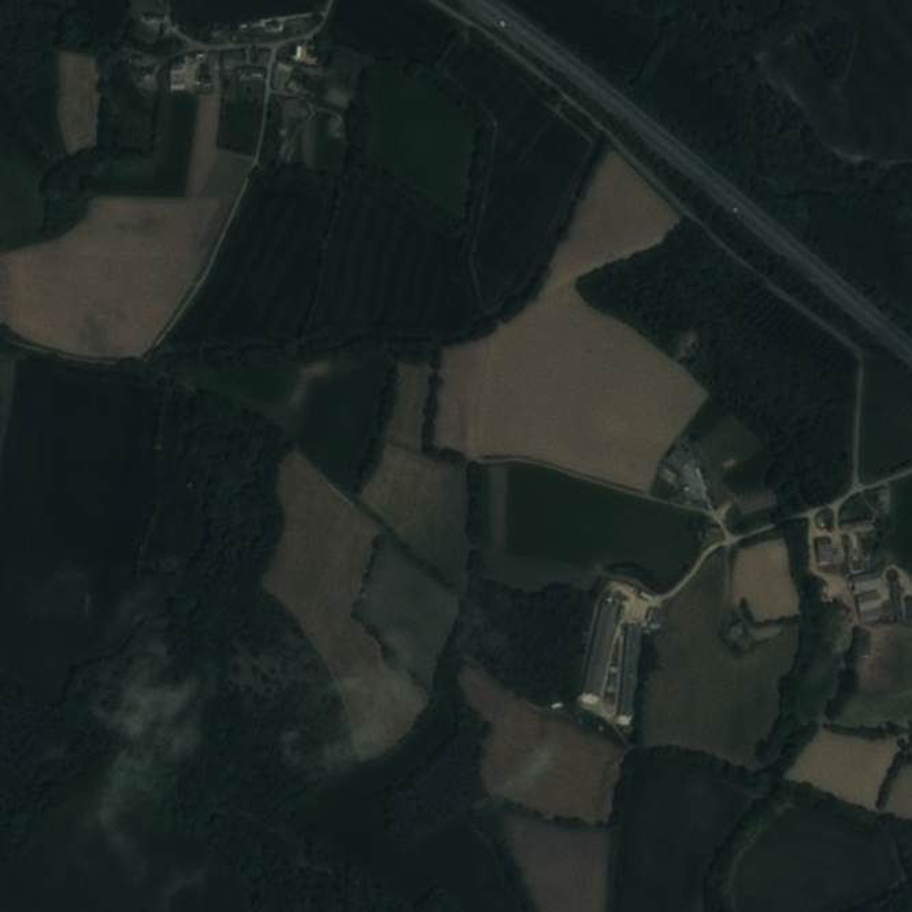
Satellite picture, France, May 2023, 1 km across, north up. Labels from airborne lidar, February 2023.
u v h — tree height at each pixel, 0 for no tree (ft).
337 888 47
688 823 0
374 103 0
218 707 55
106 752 53
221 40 0
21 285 0
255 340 0
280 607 39
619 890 0
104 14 35
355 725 0
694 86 0
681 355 76
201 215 0
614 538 0
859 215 0
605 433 0
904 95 0
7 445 0
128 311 0
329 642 0
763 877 0
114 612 0
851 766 0
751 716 0
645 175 0
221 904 0
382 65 41
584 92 23
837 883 0
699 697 0
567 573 0
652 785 0
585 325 0
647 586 20
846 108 0
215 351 32
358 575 0
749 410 40
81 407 0
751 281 59
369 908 23
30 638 0
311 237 0
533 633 48
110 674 22
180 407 0
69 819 0
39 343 0
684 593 0
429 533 0
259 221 0
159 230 0
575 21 0
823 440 54
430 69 38
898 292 0
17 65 22
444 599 0
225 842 52
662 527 0
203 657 62
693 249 26
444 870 0
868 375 0
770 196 43
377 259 0
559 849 0
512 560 0
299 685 29
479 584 37
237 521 21
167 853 0
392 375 35
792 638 0
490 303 0
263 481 58
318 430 0
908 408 0
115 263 0
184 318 0
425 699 0
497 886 0
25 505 0
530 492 0
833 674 0
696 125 0
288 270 0
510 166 0
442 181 0
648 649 39
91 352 0
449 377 0
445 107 0
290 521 0
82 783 50
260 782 45
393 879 0
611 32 0
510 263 0
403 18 0
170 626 45
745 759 0
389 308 0
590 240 0
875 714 0
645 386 0
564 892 0
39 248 0
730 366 28
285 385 0
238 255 0
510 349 0
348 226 0
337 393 0
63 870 0
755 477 0
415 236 0
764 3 0
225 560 51
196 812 55
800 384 28
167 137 0
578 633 58
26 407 0
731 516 0
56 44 47
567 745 0
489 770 0
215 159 0
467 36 0
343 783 0
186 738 54
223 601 60
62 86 0
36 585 0
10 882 0
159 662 56
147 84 0
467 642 42
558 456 0
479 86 0
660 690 0
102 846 0
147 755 25
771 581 0
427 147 0
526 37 0
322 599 0
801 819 0
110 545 0
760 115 89
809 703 0
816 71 0
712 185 0
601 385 0
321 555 0
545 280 48
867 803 0
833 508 0
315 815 0
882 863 0
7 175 0
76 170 43
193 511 0
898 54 0
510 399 0
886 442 0
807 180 0
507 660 34
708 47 69
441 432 0
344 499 0
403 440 0
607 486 0
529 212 0
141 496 0
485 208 0
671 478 0
